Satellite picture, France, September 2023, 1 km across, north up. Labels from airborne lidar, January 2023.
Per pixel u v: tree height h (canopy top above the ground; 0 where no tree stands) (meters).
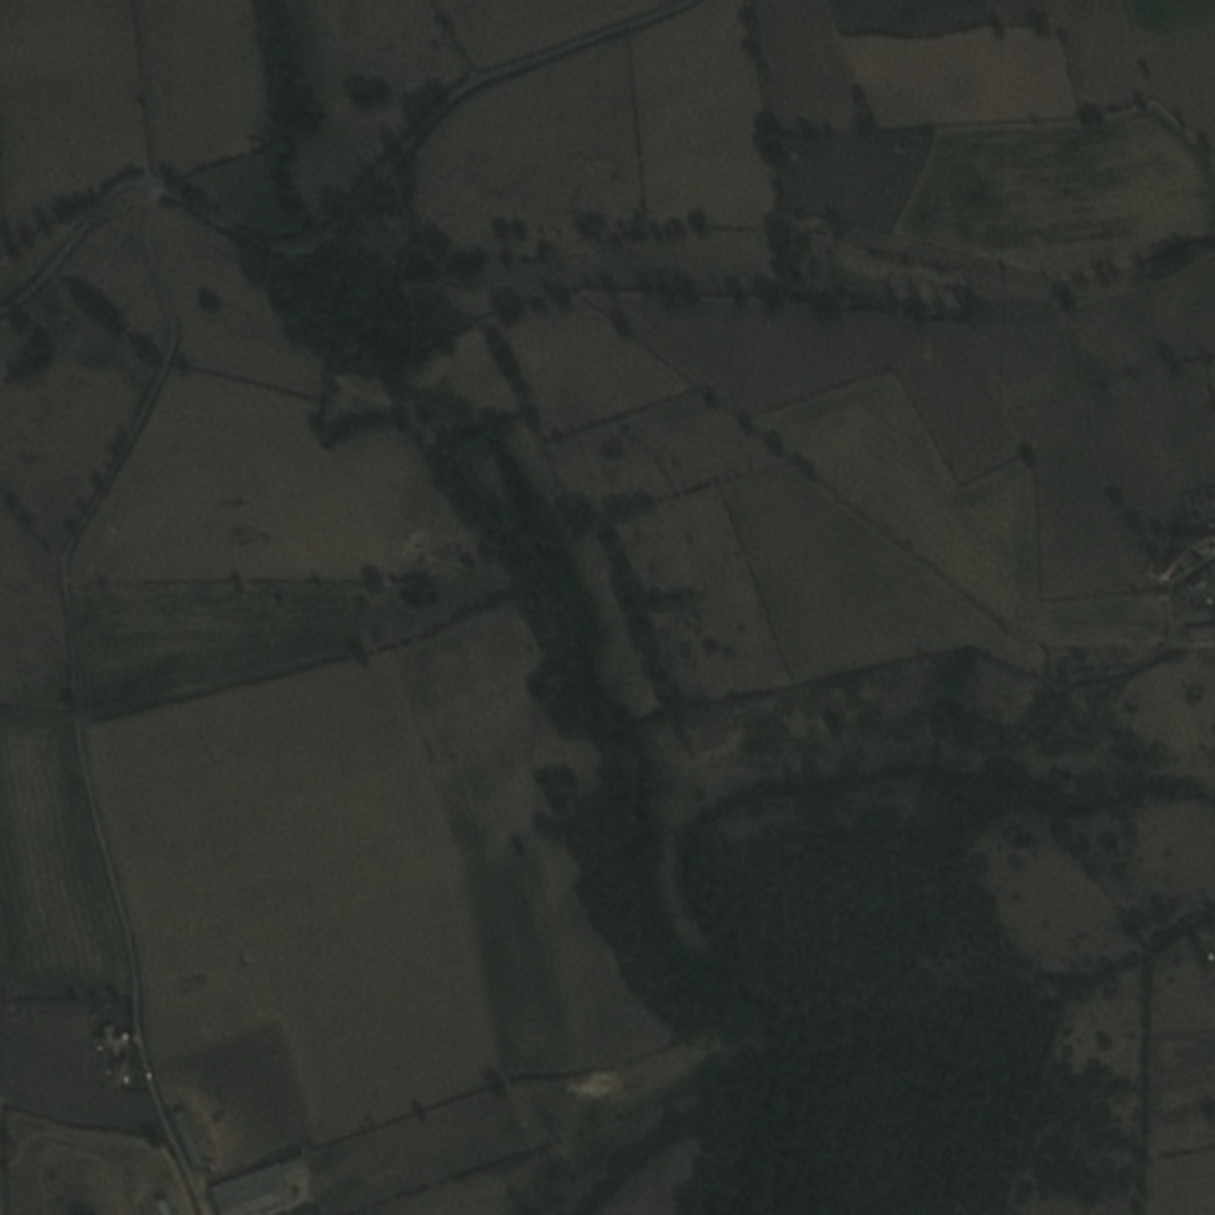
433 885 0
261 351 0
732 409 0
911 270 0
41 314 0
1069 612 0
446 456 13
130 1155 0
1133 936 11
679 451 0
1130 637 0
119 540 0
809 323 0
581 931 0
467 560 11
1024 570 0
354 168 0
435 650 0
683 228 9
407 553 0
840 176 0
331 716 0
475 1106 0
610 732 12
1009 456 0
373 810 0
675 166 0
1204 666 0
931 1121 11
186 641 0
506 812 0
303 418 0
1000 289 0
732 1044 0
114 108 0
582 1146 0
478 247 0
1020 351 0
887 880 8
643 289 14
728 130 0
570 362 0
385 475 0
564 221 0
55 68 0
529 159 0
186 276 0
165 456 0
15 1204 0
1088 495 0
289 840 0
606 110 0
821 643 0
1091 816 7
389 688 0
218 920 0
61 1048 0
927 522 0
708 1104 14
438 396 0
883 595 0
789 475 0
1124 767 0
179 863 0
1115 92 0
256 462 0
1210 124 0
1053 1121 0
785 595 0
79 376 0
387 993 0
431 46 7
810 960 13
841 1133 8
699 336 0
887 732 0
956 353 0
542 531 24
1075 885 0
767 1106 19
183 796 0
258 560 0
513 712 0
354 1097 0
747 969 20
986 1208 9
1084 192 0
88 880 0
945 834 20
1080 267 0
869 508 0
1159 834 0
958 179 0
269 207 0
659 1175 0
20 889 0
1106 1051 0
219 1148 0
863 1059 14
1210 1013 0
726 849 13
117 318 12
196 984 0
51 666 0
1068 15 0
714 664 0
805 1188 9
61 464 0
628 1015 0
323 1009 0
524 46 0
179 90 0
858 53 0
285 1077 0
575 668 20
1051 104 0
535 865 0
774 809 0
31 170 0
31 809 0
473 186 0
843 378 0
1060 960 0
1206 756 0
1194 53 0
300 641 0
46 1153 0
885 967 12
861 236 0
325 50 0
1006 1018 12
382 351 20
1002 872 0
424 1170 0
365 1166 0
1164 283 0
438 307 13
